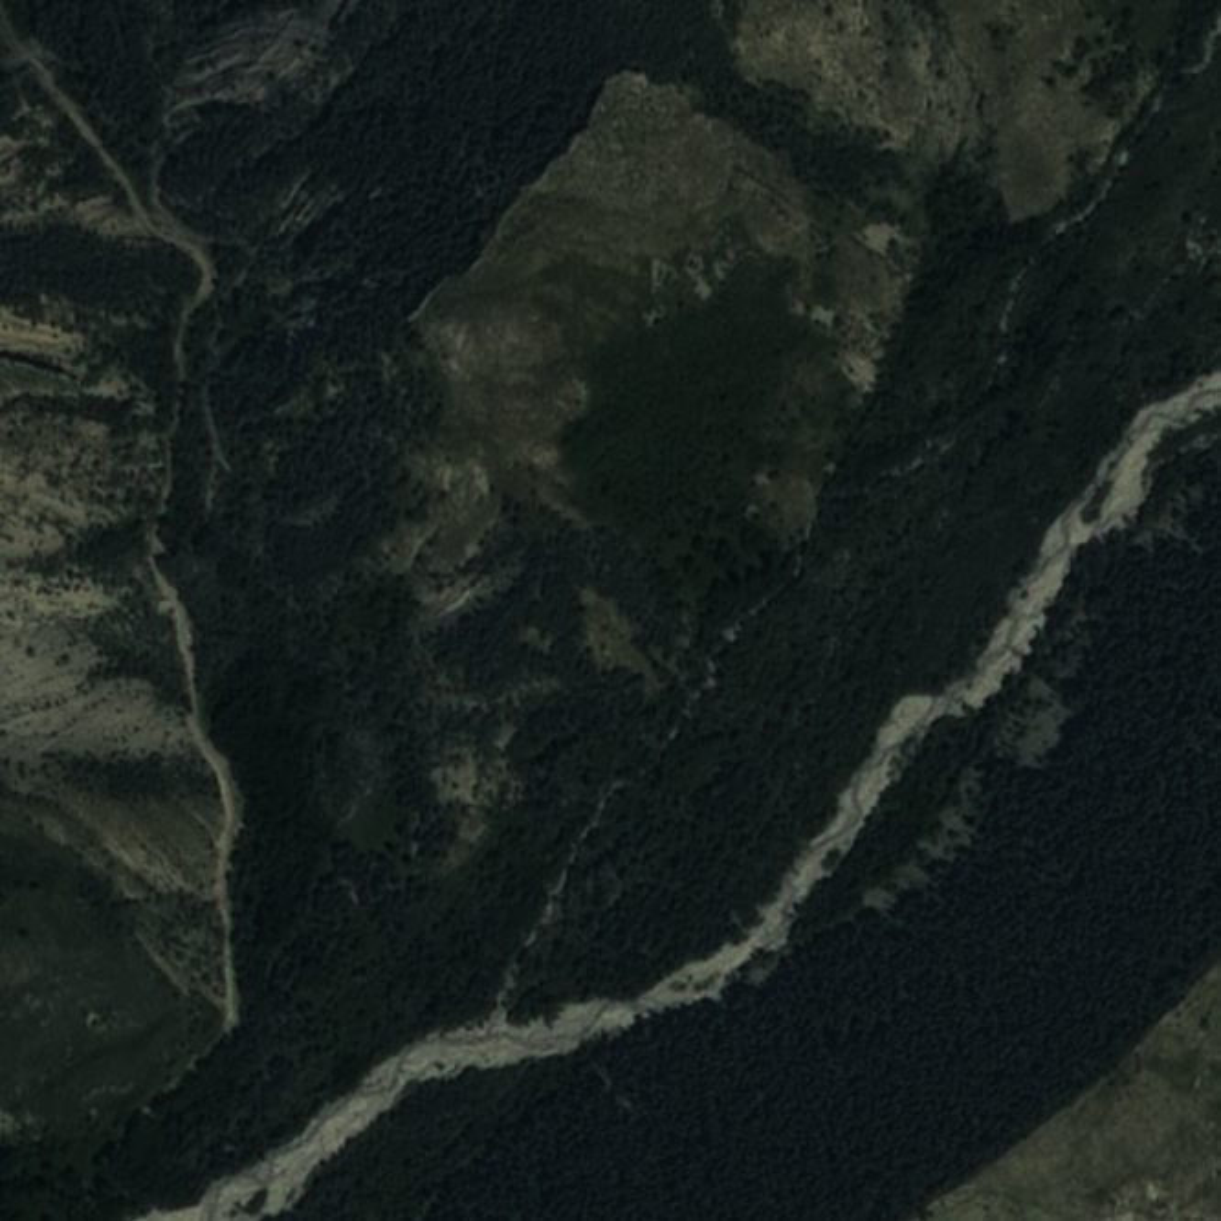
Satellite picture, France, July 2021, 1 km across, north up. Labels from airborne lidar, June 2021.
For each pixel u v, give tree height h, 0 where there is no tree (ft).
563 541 27
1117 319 26
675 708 33
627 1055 52
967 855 33
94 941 0
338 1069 28
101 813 0
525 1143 51
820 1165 62
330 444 34
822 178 27
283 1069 42
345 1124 0
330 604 20
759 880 29
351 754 23
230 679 31
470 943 25
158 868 0
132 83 47
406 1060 0
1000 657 0
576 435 31
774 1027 60
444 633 26
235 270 40
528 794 33
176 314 35
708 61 42
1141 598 49
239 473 19
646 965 38
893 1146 55
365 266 53
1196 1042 0
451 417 0
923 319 30
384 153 49
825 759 40
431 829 24
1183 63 32
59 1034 0
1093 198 29
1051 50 0
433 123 55
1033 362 32
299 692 52
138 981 0
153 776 20
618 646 0
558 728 40
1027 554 18
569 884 31
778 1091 51
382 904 49
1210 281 27
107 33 41
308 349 36
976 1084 48
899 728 0
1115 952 45
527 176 28
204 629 38
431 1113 39
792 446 0
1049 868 33
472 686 21
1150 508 19
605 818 22
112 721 0
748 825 31
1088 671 23
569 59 39
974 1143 42
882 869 25
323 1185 37
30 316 23
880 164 20
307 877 35
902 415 20
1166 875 42
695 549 37
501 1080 18
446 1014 47
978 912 47
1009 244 53
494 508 0
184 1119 57
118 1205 38
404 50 39
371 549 40
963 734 29
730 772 34
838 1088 62
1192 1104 0
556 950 28
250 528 58
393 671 28
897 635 32
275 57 0
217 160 36
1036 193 0
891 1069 56
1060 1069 43
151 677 41
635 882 23
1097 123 0
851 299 0
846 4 0
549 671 38
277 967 34
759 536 37
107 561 23
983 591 20
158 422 29
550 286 0
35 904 0
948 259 36
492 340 0
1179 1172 0
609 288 0
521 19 31
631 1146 48
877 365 19
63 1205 40
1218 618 56
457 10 22
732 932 31
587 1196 65
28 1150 37
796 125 33
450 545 0
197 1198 20
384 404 28
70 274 54
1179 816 43
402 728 33
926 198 22
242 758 57
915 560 28
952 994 49
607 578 27
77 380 34
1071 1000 54
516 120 50
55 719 0
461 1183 22
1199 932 35
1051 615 49
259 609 33
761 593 36
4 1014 0
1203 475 30
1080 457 26
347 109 49
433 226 46
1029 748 0
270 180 29
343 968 19
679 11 44
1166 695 62
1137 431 0
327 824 44
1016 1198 0
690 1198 46
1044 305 25
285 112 27
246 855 30
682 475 27
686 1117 58
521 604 39
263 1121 38
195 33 24
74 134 28
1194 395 0
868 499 31
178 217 42
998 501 20
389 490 28
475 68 29
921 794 51
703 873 33
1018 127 0
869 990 53
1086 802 44
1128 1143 0
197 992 18
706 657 23
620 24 33
